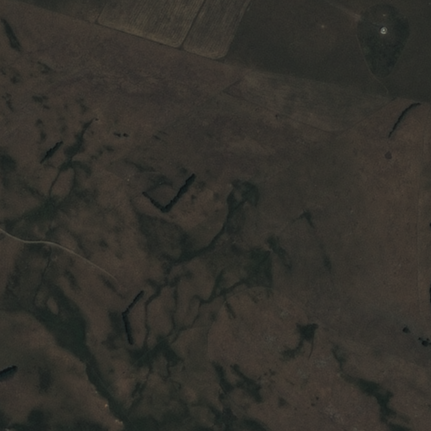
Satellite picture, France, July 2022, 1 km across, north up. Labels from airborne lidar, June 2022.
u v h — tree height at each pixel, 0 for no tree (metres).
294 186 0
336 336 0
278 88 0
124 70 0
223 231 0
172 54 0
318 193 0
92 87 0
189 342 0
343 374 0
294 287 0
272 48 0
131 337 8
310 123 0
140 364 0
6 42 0
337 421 0
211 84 0
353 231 0
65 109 0
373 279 0
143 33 0
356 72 0
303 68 0
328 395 0
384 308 0
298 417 0
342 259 0
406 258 0
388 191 0
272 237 0
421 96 0
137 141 0
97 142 0
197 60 0
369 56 0
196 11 0
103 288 0
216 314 0
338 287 0
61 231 0
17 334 0
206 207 0
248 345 0
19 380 0
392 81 0
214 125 0
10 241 0
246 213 0
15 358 0
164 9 0
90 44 0
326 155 0
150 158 0
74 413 0
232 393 0
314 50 0
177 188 0
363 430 0
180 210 0
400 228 0
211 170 0
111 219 0
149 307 0
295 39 0
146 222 0
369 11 0
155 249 0
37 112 0
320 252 0
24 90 0
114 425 0
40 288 0
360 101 0
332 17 0
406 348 0
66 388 0
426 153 0
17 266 0
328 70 0
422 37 0
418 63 0
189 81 0
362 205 0
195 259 0
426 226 0
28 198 0
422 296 0
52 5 0
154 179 0
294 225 0
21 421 0
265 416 0
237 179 0
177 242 0
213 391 0
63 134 0
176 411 0
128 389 0
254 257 0
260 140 0
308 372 0
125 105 0
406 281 0
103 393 0
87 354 0
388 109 0
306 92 0
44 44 0
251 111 0
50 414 0
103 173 0
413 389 0
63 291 0
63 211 0
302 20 0
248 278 0
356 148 0
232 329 0
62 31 0
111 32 0
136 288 0
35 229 0
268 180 0
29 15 0
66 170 0
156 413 0
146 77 0
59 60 0
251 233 0
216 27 0
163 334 0
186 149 0
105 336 0
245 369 0
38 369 0
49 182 0
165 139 0
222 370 0
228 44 0
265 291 0
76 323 0
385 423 0
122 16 0
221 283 0
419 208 0
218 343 0
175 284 0
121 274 0
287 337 0
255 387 0
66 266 0
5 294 0
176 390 0
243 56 0
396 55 0
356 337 0
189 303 0
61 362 0
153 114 0
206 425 0
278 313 0
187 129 0
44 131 0
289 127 0
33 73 0
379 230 0
